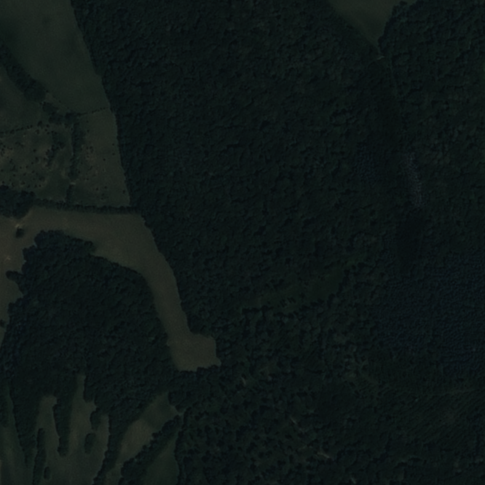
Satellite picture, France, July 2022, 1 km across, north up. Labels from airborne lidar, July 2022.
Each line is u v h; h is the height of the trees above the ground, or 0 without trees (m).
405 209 15
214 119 26
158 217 29
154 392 20
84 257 15
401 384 6
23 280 22
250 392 26
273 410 24
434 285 25
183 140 19
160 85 22
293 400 26
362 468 13
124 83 25
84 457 0
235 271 23
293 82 23
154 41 22
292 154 26
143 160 28
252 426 27
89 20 22
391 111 11
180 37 21
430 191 27
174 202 23
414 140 18
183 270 15
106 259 7
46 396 14
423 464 21
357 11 0
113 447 16
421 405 9
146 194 21
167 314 0
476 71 25
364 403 29
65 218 0
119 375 17
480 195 26
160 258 0
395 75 8
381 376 9
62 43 0
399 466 23
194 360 0
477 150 21
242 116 27
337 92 24
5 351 15
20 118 0
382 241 22
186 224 20
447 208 24
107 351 20
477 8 20
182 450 16
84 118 0
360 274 22
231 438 27
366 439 26
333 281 0
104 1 31
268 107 23
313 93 21
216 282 19
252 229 22
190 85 20
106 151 0
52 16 0
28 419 19
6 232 0
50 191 0
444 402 7
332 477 23
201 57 23
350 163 27
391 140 11
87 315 32
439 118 28
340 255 26
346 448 22
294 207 25
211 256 24
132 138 23
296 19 24
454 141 21
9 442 0
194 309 19
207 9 24
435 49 25
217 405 20
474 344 29
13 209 27
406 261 22
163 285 0
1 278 0
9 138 0
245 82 23
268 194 23
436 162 25
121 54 28
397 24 26
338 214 22
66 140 0
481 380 8
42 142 0
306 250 22
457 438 7
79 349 21
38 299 25
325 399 27
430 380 7
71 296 26
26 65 0
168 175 23
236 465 26
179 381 27
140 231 0
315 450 26
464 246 21
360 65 28
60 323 18
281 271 28
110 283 30
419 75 25
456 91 25
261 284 23
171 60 21
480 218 20
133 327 21
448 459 25
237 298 23
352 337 7
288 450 24
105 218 0
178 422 18
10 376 20
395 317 31
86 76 0
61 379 20
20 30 0
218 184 21
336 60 24
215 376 23
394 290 30
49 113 7
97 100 0
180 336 0
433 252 27
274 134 26
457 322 26
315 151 21
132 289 26
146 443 0
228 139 29
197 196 15
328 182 24
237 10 27
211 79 23
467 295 29
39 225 0
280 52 21
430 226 22
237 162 25
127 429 12
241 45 26
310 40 25
